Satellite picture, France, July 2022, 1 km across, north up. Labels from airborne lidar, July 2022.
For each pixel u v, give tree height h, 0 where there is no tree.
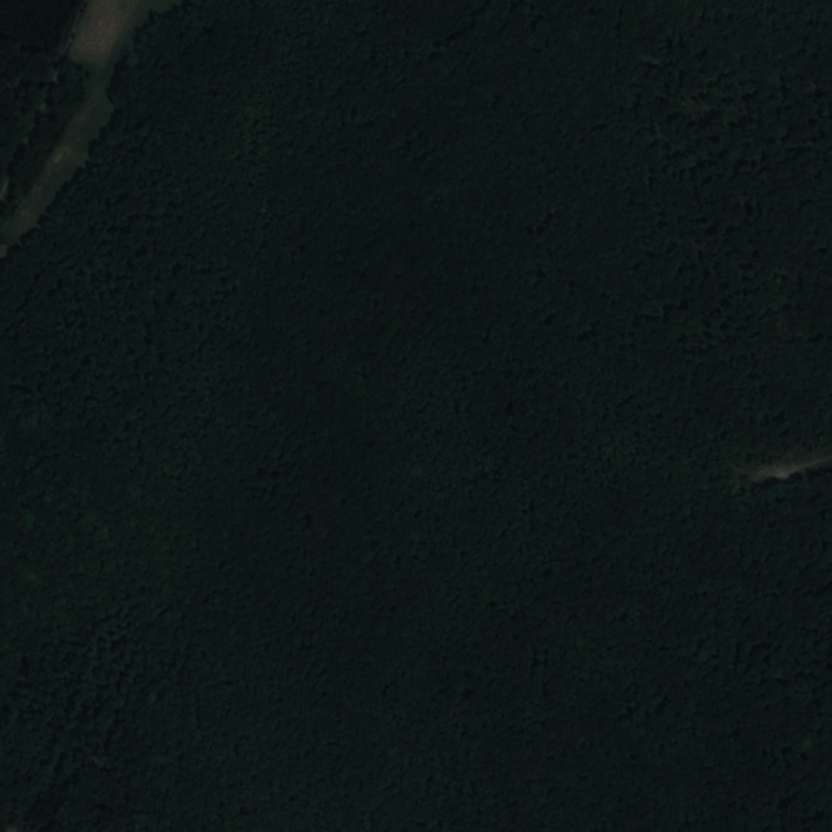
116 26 0
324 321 24
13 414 21
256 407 21
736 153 17
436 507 22
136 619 17
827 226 22
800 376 20
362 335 25
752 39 19
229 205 18
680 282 20
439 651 23
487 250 22
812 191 21
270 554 20
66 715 16
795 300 22
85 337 20
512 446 26
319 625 24
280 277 23
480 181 21
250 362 22
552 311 21
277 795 17
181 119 23
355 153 24
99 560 18
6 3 8
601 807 22
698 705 20
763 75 20
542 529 22
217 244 18
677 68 19
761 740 27
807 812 22
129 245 17
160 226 20
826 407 20
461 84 22
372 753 20
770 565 25
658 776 24
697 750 22
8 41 25
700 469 20
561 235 21
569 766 21
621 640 21
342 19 21
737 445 23
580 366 20
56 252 23
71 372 21
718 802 24
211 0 27
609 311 21
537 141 21
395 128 23
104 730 20
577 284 19
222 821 22
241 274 20
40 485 23
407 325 24
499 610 23
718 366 21
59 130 13
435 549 24
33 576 19
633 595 20
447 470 19
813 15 17
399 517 22
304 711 19
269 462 25
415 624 21
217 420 20
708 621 20
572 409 19
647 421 20
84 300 22
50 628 18
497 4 19
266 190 18
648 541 20
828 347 20
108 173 19
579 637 22
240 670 19
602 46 18
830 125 22
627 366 19
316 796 19
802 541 21
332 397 22
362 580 23
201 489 20
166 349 22
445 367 19
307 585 21
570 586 21
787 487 22
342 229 21
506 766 22
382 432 21
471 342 21
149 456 20
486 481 20
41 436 22
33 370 23
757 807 30
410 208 22
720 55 15
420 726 18
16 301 25
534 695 24
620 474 19
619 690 25
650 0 22
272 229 19
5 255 0
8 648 19
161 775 24
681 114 17
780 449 19
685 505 21
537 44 20
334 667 19
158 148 19
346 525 22
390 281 29
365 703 22
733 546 23
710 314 25
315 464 23
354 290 25
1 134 27
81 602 19
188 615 20
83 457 21
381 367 22
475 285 19
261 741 18
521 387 21
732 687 20
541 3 20
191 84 22
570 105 19
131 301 23
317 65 12
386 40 24
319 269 24
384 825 20
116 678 21
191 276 21
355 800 20
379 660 23
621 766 21
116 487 20
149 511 18
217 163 18
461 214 21
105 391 22
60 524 18
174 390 19
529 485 22
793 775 27
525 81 20
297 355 23
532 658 15
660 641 20
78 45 0
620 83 17
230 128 19
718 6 17
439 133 27
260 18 24
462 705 19
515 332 23
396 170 22
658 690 23
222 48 23
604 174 18
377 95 19
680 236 20
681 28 17
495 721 20
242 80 20
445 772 21
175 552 17
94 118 0
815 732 24
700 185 19
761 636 24
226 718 20
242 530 21
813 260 25
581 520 22
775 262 22
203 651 19
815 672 28
